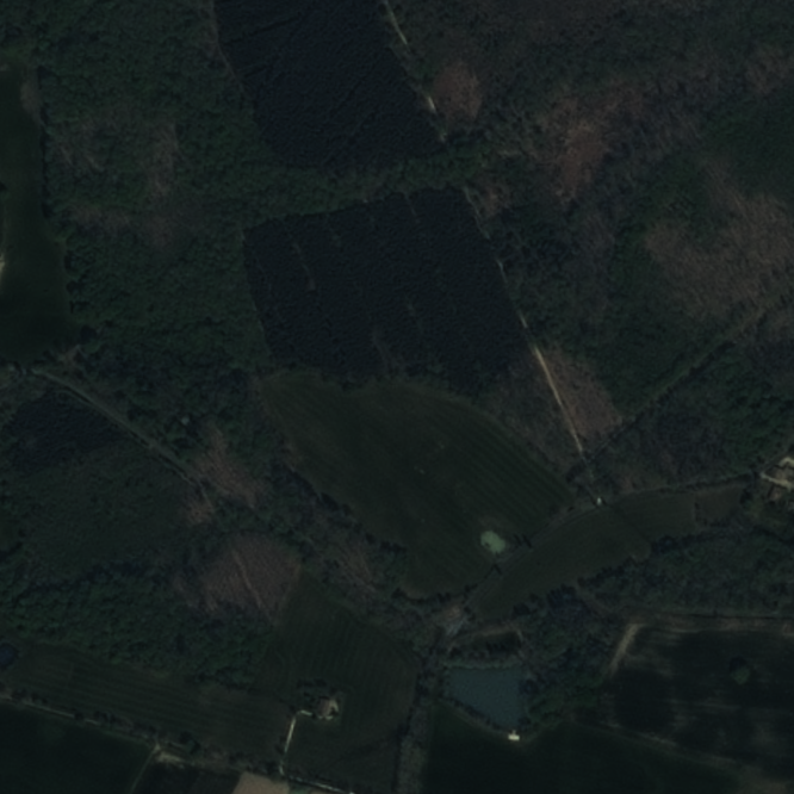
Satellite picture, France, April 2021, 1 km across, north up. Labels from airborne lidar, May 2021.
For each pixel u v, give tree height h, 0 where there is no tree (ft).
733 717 0
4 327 0
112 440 26
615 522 0
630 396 47
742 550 67
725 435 45
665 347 48
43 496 35
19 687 0
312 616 0
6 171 0
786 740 0
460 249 49
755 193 55
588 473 67
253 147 64
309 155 52
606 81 64
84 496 28
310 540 64
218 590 92
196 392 59
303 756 0
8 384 30
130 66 87
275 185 39
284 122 44
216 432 90
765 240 60
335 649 0
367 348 47
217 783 0
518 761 0
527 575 0
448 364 52
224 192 64
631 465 84
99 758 0
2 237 0
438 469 0
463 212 47
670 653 0
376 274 43
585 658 73
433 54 31
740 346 69
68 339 0
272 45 26
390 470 0
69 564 30
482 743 0
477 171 30
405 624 84
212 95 85
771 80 78
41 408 26
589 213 66
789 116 52
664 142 68
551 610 46
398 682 0
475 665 46
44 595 74
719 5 63
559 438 87
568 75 77
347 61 50
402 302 50
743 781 0
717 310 66
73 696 0
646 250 65
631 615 0
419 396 0
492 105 35
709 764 0
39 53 53
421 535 0
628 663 0
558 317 54
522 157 24
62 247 0
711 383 70
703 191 51
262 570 85
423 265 49
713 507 0
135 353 71
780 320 50
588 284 50
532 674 71
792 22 60
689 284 61
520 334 31
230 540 72
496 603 0
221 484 79
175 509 29
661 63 43
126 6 77
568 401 40
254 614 92
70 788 0
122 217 70
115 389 77
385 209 48
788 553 49
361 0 45
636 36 40
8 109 0
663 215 49
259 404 48
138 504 31
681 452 51
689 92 43
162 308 71
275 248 50
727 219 52
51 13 79
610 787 0
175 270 68
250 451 74
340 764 0
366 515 0
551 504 0
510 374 81
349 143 47
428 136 48
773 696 0
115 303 78
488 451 0
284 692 0
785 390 35
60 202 82
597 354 69
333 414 0
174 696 0
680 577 73
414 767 69
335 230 54
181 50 81
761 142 50
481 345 43
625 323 45
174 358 58
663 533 0
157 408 47
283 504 93
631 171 73
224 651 74
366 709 0
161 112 69
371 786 0
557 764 0
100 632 82
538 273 45
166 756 0
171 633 70
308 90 49
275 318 47
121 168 89
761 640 0
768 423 71
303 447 0
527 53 32
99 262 54
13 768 0
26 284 0
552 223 38
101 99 84
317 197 61
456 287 50
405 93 44
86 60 89
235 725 0
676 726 0
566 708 35
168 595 72
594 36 27
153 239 54
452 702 18
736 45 62
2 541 0
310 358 44
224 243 54
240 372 31
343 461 0
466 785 0
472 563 0
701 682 0
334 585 88
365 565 88
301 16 26
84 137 79
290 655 0
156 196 58
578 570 0
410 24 31
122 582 74
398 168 68
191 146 67
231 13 30
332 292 51
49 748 0
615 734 0
